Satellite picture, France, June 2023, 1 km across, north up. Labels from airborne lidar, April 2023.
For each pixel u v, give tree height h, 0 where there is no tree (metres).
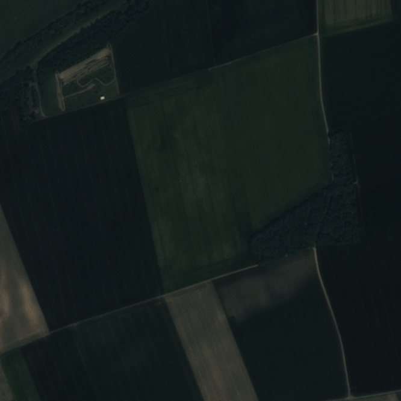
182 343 0
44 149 0
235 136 0
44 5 0
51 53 9
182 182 0
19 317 0
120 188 0
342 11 0
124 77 0
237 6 0
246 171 0
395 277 0
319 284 0
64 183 0
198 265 0
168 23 0
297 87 0
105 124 0
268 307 0
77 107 0
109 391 0
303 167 0
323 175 0
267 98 0
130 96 0
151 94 0
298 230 18
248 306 0
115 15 17
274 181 0
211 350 0
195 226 0
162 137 0
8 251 0
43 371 0
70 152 0
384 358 0
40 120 0
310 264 0
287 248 22
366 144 0
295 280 0
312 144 0
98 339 0
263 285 0
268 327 0
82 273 0
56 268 0
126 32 0
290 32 0
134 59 0
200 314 0
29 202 0
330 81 0
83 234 0
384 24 0
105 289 0
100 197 0
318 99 0
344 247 0
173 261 0
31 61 0
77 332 0
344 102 0
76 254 0
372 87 0
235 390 0
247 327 0
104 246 0
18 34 0
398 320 0
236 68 0
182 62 0
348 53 0
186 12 0
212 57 0
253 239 14
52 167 0
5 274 0
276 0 0
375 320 0
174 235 0
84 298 0
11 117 0
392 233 0
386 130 0
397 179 0
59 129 0
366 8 0
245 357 0
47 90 0
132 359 0
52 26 15
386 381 0
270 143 0
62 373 0
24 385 0
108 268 0
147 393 0
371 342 0
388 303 0
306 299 0
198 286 0
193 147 0
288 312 0
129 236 0
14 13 0
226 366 0
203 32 0
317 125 0
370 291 0
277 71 0
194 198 0
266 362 0
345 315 0
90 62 0
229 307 0
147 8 15
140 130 0
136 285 0
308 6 0
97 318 0
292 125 0
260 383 0
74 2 0
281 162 0
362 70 0
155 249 0
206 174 0
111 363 0
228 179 0
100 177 0
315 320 0
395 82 0
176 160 0
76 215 0
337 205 20
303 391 0
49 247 0
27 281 0
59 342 0
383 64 0
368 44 0
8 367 0
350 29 0
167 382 0
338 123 0
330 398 0
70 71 0
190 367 0
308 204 18
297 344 0
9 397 0
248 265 0
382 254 0
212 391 0
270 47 0
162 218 0
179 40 0
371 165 0
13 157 0
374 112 0
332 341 0
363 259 0
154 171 0
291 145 0
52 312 0
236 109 0
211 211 0
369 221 0
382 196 0
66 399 0
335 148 17
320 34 0
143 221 0
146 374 0
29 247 0
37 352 0
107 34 21
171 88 0
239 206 0
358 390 0
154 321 0
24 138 0
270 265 0
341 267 0
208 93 0
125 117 0
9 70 0
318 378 0
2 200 0
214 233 0
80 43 26
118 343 0
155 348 0
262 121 0
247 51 0
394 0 0
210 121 0
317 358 0
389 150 0
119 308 0
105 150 0
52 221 0
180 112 0
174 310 0
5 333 0
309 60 0
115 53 0
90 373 0
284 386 0
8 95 20
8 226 0
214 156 0
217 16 0
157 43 0
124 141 0
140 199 0
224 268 0
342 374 0
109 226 0
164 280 0
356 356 0
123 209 0
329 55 0
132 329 0
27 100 19
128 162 0
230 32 0
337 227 19
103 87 0
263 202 0
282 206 0
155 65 0
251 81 0
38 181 0
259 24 0
